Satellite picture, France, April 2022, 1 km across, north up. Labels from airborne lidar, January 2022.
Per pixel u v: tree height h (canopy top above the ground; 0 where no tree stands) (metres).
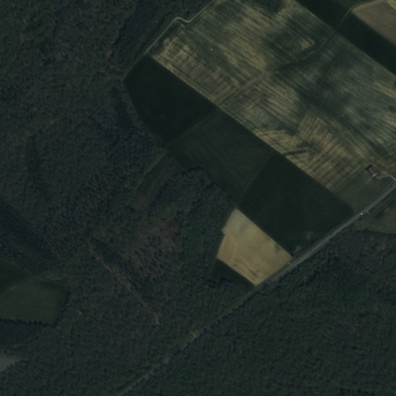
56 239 23
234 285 20
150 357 22
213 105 0
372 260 9
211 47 0
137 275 23
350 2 0
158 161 20
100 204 29
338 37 0
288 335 26
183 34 0
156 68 0
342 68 0
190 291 23
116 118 20
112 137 22
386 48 0
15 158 20
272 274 0
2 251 19
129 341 22
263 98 0
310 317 29
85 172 22
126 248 23
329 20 0
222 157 0
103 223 26
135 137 27
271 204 0
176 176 7
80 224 19
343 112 0
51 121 21
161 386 23
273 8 20
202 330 0
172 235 0
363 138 0
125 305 23
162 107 0
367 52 0
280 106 0
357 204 0
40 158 19
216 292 22
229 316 0
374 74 0
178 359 20
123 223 23
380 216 0
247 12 0
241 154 0
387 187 0
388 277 10
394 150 0
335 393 27
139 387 18
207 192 18
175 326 21
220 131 0
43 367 23
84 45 22
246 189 0
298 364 26
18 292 0
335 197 0
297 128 0
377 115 0
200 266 21
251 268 0
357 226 0
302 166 0
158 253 22
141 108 0
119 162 30
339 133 0
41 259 24
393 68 0
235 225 0
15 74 22
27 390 27
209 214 22
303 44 0
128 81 0
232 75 0
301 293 27
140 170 18
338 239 10
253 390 23
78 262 20
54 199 20
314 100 0
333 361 29
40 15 22
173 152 0
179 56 0
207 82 0
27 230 16
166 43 0
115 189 27
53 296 0
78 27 18
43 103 19
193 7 24
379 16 0
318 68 0
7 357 0
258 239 0
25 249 23
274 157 0
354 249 11
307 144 0
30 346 24
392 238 6
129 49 29
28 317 0
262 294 15
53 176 20
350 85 0
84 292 20
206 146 0
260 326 26
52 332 22
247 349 25
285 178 0
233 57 0
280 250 0
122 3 22
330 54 0
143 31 25
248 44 0
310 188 0
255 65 0
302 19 0
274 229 0
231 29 0
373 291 24
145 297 21
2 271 0
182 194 22
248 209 0
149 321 23
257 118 0
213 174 0
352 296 26
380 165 0
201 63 0
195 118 0
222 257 0
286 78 0
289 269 0
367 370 25
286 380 25
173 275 24
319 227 0
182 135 0
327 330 26
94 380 21
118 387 24
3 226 19
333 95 0
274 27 0
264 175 0
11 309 0
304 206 0
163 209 23
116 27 23
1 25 25
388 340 24
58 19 18
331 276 24
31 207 22
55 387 24
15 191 20
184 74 0
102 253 22
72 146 22
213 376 23
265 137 0
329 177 0
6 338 23
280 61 0
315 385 25
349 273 28
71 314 21
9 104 23
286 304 17
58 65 24
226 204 13
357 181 0
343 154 0
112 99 14
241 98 0
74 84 24
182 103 0
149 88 0
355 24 0
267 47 0
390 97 0
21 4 23
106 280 21
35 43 19
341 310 26
